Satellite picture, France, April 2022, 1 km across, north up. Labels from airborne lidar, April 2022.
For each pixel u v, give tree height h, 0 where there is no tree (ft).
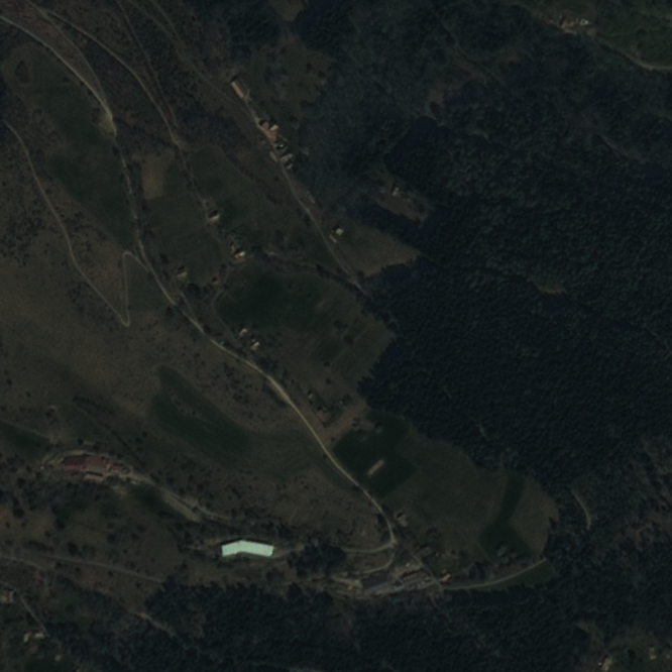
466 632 69
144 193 56
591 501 38
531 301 91
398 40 70
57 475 0
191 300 55
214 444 0
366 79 85
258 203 0
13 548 29
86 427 0
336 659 70
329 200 76
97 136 0
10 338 0
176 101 41
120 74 41
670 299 104
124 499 0
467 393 93
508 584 0
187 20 19
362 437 48
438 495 0
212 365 0
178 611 80
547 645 83
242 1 108
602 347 95
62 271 0
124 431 0
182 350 0
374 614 61
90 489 64
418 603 75
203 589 30
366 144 109
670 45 68
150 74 28
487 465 68
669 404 107
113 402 0
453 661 67
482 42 81
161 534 0
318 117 73
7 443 0
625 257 103
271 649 62
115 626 53
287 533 42
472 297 110
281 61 66
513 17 92
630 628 61
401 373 86
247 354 30
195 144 72
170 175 0
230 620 95
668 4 60
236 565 40
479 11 65
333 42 123
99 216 0
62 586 54
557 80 112
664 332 91
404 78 100
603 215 81
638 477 32
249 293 0
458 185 106
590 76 104
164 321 0
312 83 0
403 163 115
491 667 72
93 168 0
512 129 73
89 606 61
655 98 81
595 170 73
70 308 0
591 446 91
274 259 26
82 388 0
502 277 106
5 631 25
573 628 67
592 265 107
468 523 0
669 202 103
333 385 33
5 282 0
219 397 0
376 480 0
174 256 0
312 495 0
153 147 21
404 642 71
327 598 64
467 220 120
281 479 0
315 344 0
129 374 0
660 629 62
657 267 101
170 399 0
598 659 66
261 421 0
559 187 66
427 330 85
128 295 0
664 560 91
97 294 0
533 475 61
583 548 68
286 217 0
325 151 86
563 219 102
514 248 92
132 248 26
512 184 139
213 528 48
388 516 50
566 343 102
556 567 49
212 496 41
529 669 68
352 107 96
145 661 93
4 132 59
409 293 97
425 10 91
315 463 0
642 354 94
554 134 106
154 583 0
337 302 0
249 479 0
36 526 0
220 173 0
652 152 83
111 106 0
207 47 80
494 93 104
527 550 0
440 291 104
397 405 88
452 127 59
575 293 94
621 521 44
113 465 0
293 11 0
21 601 46
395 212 0
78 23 23
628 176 52
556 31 60
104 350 0
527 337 80
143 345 0
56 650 57
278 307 0
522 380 104
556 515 0
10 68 0
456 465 0
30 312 0
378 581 0
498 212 123
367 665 59
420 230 79
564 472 75
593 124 99
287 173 0
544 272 99
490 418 92
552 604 92
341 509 0
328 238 0
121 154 56
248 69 51
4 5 0
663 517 33
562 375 117
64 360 0
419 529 0
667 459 42
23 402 0
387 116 82
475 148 120
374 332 0
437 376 89
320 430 0
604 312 112
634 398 96
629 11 54
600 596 81
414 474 0
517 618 87
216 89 0
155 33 19
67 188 0
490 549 0
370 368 0
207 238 0
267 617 96
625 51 49
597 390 85
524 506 0
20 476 0
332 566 74
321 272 40
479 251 102
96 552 36
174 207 0
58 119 0
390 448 0
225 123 79
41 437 0
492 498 0
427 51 92
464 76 22
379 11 90
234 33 73
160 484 43
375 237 0
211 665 84
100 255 0
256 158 0
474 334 93
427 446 0
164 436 0
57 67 0
